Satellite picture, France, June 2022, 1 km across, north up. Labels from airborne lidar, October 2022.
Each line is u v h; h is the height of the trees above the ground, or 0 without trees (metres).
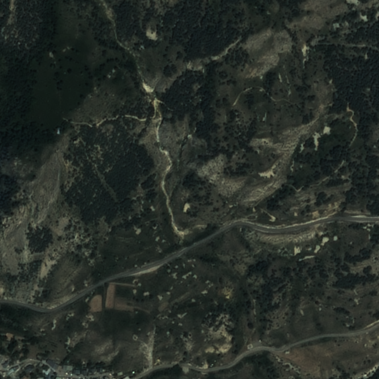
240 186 0
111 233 8
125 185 13
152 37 0
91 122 6
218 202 6
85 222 9
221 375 0
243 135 6
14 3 6
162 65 0
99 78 7
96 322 0
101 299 0
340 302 0
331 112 10
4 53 18
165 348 0
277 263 0
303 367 0
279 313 0
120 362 0
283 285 7
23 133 12
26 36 8
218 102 10
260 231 0
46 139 9
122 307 0
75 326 0
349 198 9
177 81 10
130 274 0
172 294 0
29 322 0
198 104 12
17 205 10
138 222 11
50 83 0
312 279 9
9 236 0
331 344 0
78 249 8
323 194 9
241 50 13
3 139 19
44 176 0
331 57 8
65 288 0
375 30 14
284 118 0
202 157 9
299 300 6
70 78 0
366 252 10
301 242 0
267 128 0
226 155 8
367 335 0
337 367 6
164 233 0
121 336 0
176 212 0
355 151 9
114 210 11
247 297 13
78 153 8
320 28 0
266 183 0
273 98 0
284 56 0
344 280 10
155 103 0
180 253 0
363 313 0
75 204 9
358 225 10
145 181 7
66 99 0
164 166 0
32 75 21
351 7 6
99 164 9
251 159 0
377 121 11
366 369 0
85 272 0
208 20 12
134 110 7
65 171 0
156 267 0
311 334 0
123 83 0
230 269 0
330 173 10
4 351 7
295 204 0
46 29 18
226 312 11
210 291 0
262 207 0
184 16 10
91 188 7
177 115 8
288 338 0
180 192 0
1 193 14
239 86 0
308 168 0
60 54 0
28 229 7
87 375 8
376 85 6
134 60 0
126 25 10
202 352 0
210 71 16
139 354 0
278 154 0
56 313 0
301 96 8
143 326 0
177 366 11
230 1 11
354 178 13
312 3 0
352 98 13
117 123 8
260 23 0
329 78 9
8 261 0
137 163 11
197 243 0
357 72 12
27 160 0
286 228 0
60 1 0
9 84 14
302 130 0
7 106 13
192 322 0
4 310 11
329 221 0
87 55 0
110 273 0
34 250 9
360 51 10
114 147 8
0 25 9
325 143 9
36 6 12
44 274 0
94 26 6
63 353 0
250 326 13
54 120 0
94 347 0
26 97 16
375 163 10
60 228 0
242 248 0
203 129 13
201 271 0
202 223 0
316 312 0
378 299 0
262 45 0
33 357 0
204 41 15
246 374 0
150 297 6
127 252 0
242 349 0
